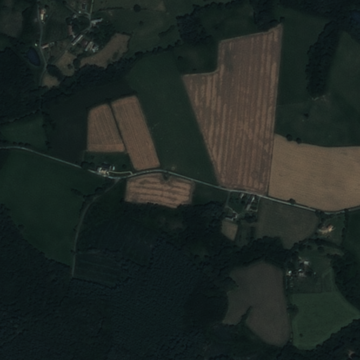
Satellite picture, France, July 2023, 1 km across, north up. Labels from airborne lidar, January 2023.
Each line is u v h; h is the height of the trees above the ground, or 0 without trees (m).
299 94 0
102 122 0
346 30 17
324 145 0
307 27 0
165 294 23
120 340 27
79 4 0
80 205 0
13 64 22
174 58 0
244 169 0
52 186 0
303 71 0
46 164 0
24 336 19
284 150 0
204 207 13
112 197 0
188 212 17
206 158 0
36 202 0
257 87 0
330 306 0
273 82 0
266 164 0
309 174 0
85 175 0
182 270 23
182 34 26
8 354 23
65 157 0
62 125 0
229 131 0
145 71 0
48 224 0
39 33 0
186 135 0
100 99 0
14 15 0
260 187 0
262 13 22
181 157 0
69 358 25
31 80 25
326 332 0
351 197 0
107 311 24
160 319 26
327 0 20
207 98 0
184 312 22
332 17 21
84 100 0
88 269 0
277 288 0
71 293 25
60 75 25
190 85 0
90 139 0
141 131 0
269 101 0
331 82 0
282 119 0
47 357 20
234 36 0
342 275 16
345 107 0
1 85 23
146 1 0
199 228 22
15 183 0
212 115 0
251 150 0
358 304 10
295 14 0
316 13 23
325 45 9
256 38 0
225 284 26
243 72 0
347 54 0
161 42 0
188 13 0
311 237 0
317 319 0
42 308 20
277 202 0
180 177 0
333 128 0
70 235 0
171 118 0
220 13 0
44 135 0
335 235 0
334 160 0
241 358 0
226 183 0
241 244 0
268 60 0
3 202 0
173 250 27
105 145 0
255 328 0
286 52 0
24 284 12
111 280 0
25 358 19
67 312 22
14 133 0
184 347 32
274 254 11
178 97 0
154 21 0
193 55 0
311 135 0
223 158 0
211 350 0
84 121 0
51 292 19
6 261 14
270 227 0
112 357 34
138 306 26
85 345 19
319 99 0
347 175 0
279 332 0
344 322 0
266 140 0
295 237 0
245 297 0
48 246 0
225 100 0
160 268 18
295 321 0
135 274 29
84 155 0
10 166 0
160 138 0
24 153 0
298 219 0
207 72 0
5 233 19
